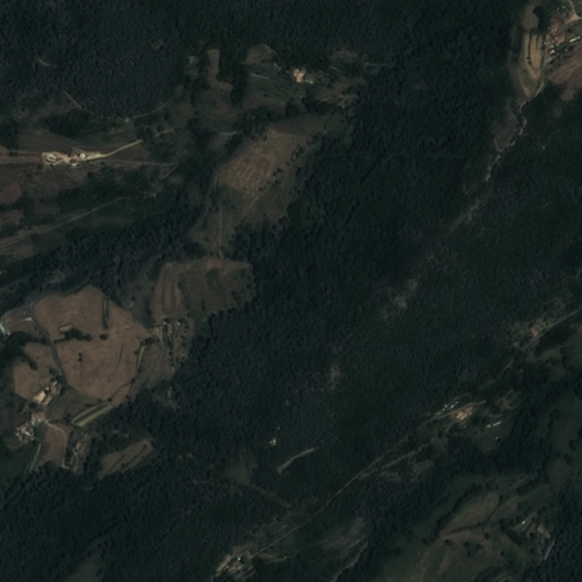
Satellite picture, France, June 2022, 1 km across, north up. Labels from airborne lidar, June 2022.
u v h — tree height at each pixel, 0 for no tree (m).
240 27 18
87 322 0
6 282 14
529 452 12
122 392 0
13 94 9
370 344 12
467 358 15
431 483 18
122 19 16
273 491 14
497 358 17
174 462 16
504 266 13
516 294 11
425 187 12
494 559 0
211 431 16
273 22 19
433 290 12
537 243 13
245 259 13
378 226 12
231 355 15
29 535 15
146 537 10
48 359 0
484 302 15
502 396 6
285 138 0
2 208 13
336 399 7
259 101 0
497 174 8
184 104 0
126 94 17
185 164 6
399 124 26
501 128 0
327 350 6
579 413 0
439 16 16
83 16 9
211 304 0
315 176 13
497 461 27
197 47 10
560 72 0
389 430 15
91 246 15
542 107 11
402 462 7
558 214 9
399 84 14
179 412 14
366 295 12
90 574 0
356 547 9
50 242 0
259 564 9
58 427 0
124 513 15
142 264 10
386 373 11
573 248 9
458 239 8
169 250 23
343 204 20
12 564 17
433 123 16
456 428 10
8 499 15
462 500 13
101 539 18
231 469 0
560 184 19
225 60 8
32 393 0
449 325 14
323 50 15
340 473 9
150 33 18
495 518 0
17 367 0
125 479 18
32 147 0
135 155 0
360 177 8
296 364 8
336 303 17
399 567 0
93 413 0
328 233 11
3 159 0
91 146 0
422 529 0
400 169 12
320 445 16
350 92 11
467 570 0
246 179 0
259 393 12
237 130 16
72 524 17
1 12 17
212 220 0
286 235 11
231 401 6
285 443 11
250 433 7
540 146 7
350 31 15
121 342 0
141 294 0
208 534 15
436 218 8
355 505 7
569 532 16
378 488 12
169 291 0
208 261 0
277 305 23
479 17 17
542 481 12
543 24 10
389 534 14
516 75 0
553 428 16
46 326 0
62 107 0
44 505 9
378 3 11
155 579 13
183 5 17
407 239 14
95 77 20
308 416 8
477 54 11
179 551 15
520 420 12
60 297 0
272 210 0
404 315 9
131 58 15
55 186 0
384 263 12
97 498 16
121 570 6
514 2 10
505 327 12
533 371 11
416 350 16
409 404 19
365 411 9
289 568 10
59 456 0
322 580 9
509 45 8
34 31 10
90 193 8
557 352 0
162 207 7
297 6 16
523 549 0
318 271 10
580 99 8
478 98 9
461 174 12
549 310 16
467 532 0
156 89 19
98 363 0
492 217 10
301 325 14
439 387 9
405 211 15
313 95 8
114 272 14
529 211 11
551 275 11
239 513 13
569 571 16
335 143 11
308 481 16
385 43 13
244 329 23
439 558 0
